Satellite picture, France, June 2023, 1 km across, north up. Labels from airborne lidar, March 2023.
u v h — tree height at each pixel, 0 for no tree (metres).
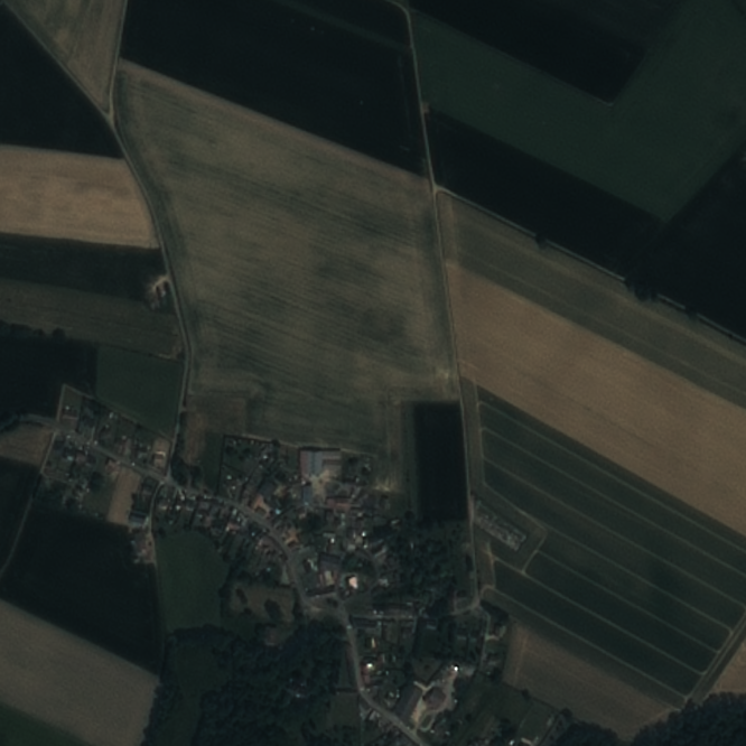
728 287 0
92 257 0
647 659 0
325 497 0
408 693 0
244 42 0
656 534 0
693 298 0
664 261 0
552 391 0
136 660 0
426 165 0
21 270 0
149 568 0
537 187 0
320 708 18
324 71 0
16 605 0
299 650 23
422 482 0
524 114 0
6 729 0
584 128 0
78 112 0
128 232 0
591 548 0
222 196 0
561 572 0
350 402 0
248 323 0
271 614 20
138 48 0
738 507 0
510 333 0
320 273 0
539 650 0
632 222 0
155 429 0
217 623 0
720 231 0
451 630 8
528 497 0
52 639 0
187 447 0
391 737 10
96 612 0
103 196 0
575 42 0
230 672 16
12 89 0
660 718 0
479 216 0
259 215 0
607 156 0
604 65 0
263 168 0
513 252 0
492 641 0
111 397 0
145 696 0
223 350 0
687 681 0
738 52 0
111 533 0
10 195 0
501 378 0
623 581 0
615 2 0
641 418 0
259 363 0
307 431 0
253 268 0
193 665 0
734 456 0
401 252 0
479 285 0
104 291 0
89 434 0
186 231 0
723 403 0
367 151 0
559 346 0
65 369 0
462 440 0
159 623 0
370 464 0
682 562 0
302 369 0
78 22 0
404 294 0
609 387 0
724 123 0
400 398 0
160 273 0
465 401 0
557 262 0
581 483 0
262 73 0
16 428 8
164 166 0
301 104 0
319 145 0
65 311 0
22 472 0
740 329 0
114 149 0
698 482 0
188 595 0
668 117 0
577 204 0
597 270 0
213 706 17
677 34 0
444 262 0
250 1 0
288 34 0
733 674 0
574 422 0
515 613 0
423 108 0
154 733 15
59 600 0
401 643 0
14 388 0
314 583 0
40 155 0
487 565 0
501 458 0
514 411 0
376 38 0
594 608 0
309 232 0
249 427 0
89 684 0
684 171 0
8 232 0
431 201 0
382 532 16
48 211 0
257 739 24
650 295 11
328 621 0
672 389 0
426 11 0
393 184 0
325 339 0
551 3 0
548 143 0
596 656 0
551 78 0
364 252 0
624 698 0
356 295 0
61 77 0
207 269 0
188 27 0
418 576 10
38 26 0
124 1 0
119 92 0
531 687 0
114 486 0
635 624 0
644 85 0
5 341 0
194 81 0
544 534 0
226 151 0
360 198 0
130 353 0
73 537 0
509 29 0
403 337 0
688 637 0
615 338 0
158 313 0
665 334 0
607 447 0
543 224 0
